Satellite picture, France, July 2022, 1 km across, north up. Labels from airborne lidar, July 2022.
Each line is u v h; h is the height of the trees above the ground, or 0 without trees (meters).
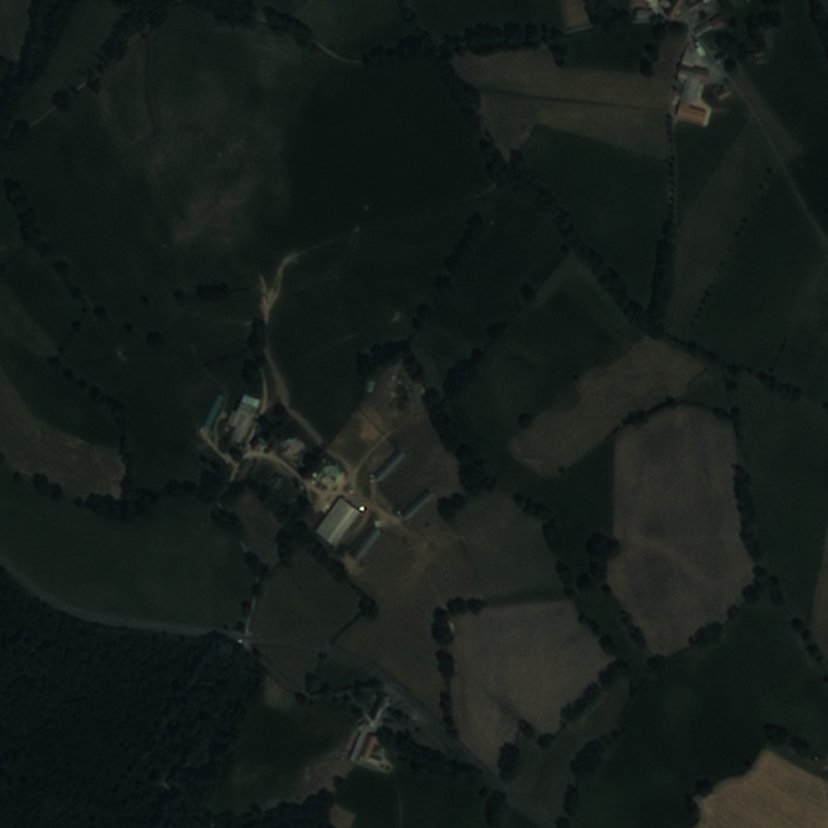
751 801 0
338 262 0
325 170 0
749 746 0
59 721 7
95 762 6
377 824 0
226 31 0
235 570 0
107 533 0
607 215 0
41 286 0
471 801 0
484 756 0
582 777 16
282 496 0
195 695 27
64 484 0
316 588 0
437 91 0
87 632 7
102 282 0
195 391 0
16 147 15
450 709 16
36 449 0
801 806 0
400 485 0
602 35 0
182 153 0
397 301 0
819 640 0
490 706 0
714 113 0
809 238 0
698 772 0
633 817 0
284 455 0
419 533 0
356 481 0
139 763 10
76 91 14
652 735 0
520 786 0
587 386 0
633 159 0
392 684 0
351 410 0
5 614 10
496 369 0
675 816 0
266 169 0
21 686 7
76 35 0
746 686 0
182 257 0
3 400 0
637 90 0
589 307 0
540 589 0
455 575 0
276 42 0
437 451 0
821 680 0
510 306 0
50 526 0
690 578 0
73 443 0
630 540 0
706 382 0
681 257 0
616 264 0
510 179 18
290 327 0
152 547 0
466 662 0
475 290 0
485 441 0
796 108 0
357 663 0
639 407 0
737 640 0
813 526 0
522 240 0
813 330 0
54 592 0
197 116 0
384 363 18
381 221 0
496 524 0
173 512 0
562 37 13
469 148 0
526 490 0
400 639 0
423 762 12
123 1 16
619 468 0
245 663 25
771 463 0
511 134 0
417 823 0
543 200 22
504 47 20
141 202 0
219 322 0
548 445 0
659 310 17
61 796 7
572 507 0
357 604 0
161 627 0
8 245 0
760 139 0
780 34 0
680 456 0
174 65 0
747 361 0
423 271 0
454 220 0
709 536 0
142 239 0
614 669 18
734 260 0
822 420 0
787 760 0
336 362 0
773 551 0
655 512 0
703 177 0
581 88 0
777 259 0
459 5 0
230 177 0
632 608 0
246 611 13
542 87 0
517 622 0
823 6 22
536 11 0
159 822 30
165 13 15
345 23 0
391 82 0
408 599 0
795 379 0
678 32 12
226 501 25
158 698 11
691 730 0
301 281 0
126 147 0
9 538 0
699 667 0
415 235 0
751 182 0
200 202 0
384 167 0
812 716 0
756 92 0
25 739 7
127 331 12
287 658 0
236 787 0
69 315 0
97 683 7
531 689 0
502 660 0
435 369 0
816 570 0
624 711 0
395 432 0
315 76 0
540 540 0
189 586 0
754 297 0
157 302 0
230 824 10
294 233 0
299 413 0
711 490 0
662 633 0
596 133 0
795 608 0
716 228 0
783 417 0
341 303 0
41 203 0
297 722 0
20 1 0
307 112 0
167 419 0
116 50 20
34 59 20
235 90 0
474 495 8
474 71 0
